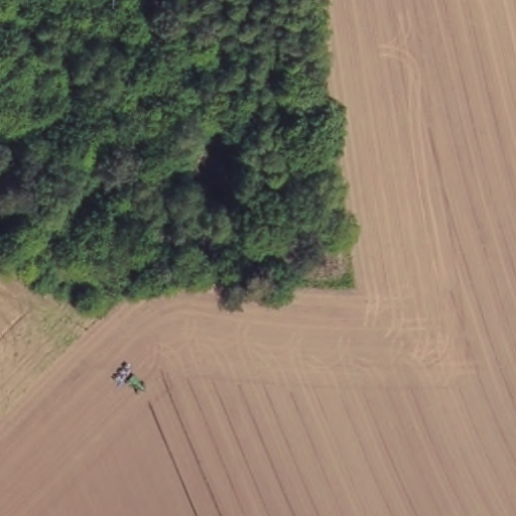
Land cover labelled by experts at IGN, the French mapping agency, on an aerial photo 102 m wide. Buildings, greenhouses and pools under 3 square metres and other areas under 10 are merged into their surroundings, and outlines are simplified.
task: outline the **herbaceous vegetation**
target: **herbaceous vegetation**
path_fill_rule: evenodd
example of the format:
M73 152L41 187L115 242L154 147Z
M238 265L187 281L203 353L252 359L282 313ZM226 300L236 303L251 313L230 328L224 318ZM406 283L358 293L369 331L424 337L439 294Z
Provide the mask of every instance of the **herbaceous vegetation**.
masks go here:
M30 228L30 222L24 214L0 216L0 256L12 256L18 250L16 238L22 230Z
M250 165L244 163L244 153L236 143L226 143L224 137L216 133L206 147L206 155L202 157L200 165L191 169L191 173L198 177L198 187L204 196L204 206L210 212L226 212L232 222L236 216L244 216L248 210L248 206L238 196L246 185Z
M353 236L347 236L333 248L333 252L325 254L325 266L316 266L308 272L296 270L296 278L292 282L286 282L282 288L278 288L272 298L268 294L262 294L260 304L278 308L292 300L296 288L353 288L355 280L351 248L357 240Z
M75 306L93 292L93 284L73 284L69 302L71 306Z

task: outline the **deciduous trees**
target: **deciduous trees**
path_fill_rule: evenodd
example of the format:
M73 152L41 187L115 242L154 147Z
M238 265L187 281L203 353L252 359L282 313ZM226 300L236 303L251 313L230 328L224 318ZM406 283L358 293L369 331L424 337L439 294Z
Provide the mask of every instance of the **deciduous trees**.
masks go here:
M268 294L272 298L278 288L282 288L286 282L292 282L296 278L296 270L308 272L316 266L325 266L325 254L333 252L333 248L347 236L353 236L357 240L359 224L353 214L345 210L347 183L339 171L339 157L343 155L345 147L347 125L345 105L341 105L329 95L327 85L331 73L331 52L327 46L327 38L331 36L329 0L0 0L0 216L24 214L30 222L30 228L22 230L16 238L18 250L12 256L0 256L0 276L18 276L18 280L32 292L42 296L50 294L56 300L69 302L73 284L93 284L93 292L75 306L79 312L87 316L105 318L123 300L147 300L157 296L169 296L175 290L206 292L210 288L218 290L220 306L226 310L240 310L244 302L260 304L262 294ZM226 143L236 143L244 153L244 163L250 165L246 185L238 196L248 206L248 210L244 216L236 216L232 222L226 212L210 212L204 206L204 196L198 187L198 177L191 173L191 169L200 165L202 157L206 155L206 147L216 133L224 137Z

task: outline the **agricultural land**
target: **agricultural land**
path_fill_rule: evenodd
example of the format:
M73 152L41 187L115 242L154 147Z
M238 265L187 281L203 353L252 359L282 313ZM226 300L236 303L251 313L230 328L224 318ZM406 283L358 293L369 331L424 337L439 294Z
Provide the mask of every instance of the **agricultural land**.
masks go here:
M218 290L210 288L206 292L175 290L169 296L157 296L147 300L123 300L105 318L87 316L79 312L75 306L71 306L69 302L56 300L50 294L42 296L32 292L18 280L18 276L0 276L0 516L516 516L516 0L329 0L331 36L327 38L327 46L331 52L331 73L327 85L329 95L341 105L345 105L347 125L345 147L343 155L339 157L339 171L347 183L345 210L353 214L359 224L357 240L351 248L355 280L353 288L296 288L292 300L278 308L260 304L244 302L240 310L226 310L220 306Z

